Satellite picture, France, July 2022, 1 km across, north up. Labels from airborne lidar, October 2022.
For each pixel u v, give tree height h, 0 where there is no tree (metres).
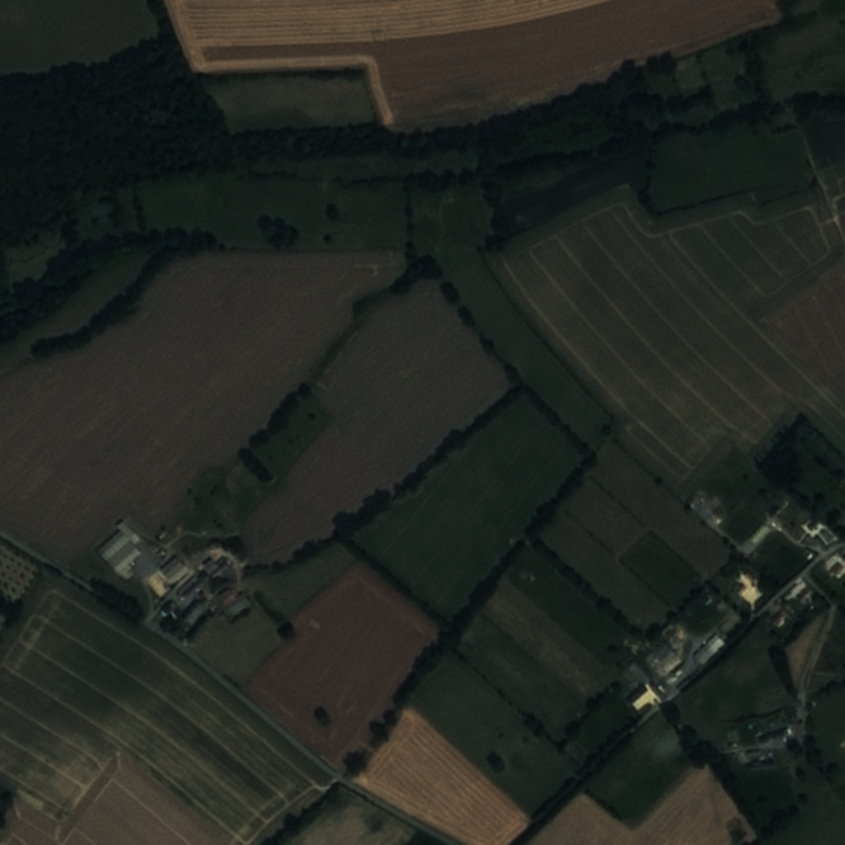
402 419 0
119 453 0
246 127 0
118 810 0
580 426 0
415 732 0
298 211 0
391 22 0
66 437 0
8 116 20
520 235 0
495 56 0
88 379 0
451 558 0
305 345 0
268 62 0
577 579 11
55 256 0
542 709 0
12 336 15
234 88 0
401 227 0
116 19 0
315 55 0
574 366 0
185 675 0
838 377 0
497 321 0
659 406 0
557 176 0
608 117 16
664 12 0
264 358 0
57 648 0
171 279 0
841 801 0
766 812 0
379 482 0
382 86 0
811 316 0
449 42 0
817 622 0
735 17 0
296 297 0
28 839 0
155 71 27
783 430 0
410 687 15
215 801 0
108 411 0
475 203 0
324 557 0
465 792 0
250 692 0
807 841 0
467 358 0
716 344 0
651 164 13
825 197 0
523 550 11
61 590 0
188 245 20
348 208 0
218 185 0
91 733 0
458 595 0
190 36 0
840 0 0
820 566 0
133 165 13
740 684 0
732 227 0
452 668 0
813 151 0
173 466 0
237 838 0
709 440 0
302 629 0
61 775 0
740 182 0
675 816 0
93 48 0
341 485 0
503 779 0
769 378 0
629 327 0
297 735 0
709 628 0
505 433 0
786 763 0
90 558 0
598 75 0
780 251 0
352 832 0
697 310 0
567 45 0
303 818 8
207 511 0
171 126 16
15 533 0
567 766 0
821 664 0
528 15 0
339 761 0
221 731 0
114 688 0
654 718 0
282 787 0
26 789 0
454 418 0
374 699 0
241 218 0
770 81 0
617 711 0
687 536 0
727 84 0
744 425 0
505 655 0
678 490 0
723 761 19
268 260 0
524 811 0
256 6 0
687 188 0
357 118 0
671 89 0
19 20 0
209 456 0
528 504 0
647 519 0
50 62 0
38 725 0
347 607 0
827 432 0
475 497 0
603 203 0
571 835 0
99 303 0
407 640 0
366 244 0
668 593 0
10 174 19
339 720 0
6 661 0
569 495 13
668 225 0
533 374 0
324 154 15
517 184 0
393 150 16
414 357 0
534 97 0
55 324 0
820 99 12
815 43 0
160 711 0
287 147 17
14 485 0
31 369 0
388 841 0
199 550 0
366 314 0
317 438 0
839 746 0
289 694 0
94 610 0
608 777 0
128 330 0
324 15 0
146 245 20
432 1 0
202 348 0
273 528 0
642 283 0
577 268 0
